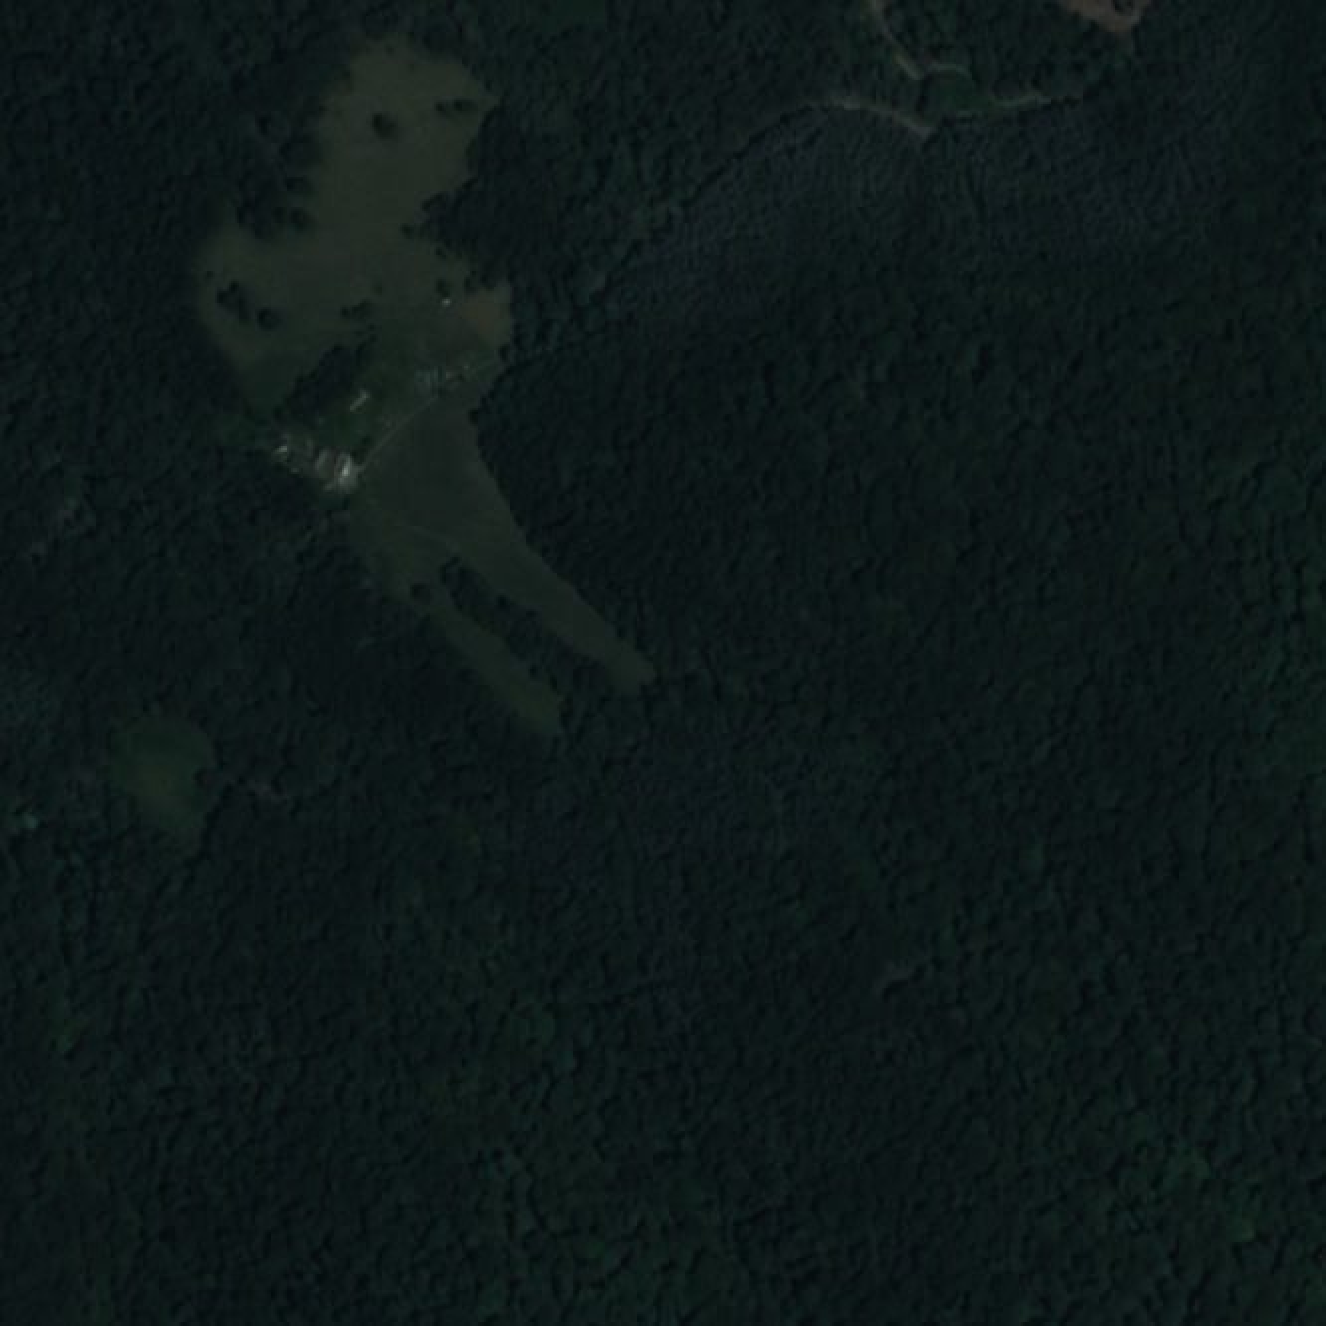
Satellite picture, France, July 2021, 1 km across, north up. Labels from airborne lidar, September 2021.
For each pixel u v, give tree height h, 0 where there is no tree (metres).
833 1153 24
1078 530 25
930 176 24
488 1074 28
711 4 27
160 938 22
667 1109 25
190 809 0
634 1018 30
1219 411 21
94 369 19
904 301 24
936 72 7
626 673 0
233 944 25
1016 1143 20
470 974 7
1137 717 27
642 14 28
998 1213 17
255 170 24
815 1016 13
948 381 26
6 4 23
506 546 0
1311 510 32
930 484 34
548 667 10
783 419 29
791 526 22
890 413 29
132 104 23
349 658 29
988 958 11
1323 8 25
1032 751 25
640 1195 32
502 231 22
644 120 6
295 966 15
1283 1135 22
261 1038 15
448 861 31
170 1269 32
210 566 24
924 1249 16
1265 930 17
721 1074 30
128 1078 13
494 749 31
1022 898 33
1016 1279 21
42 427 30
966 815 23
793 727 36
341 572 20
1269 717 22
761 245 22
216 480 22
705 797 24
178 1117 14
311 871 20
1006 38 19
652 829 25
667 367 20
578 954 17
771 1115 10
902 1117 24
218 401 23
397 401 0
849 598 29
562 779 27
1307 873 28
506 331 0
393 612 23
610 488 22
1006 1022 23
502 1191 26
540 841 24
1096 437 20
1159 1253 25
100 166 22
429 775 33
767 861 21
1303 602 20
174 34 23
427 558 0
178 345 18
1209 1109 29
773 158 22
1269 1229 24
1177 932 25
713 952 27
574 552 26
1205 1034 21
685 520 16
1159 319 26
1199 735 23
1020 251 22
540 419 22
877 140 24
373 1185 19
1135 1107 27
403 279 0
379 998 23
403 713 30
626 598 25
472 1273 22
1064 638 32
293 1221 26
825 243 24
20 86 26
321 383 15
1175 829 26
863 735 29
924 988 24
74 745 23
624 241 23
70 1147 18
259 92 32
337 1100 9
